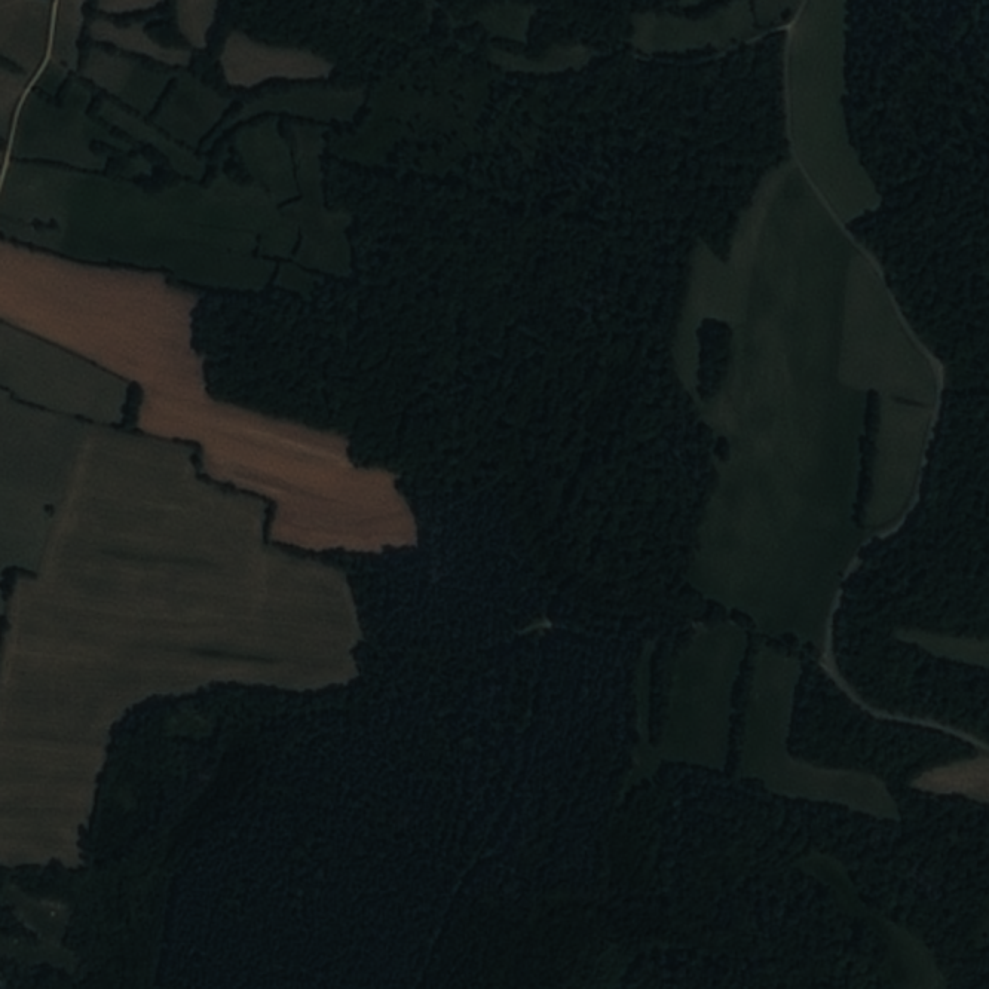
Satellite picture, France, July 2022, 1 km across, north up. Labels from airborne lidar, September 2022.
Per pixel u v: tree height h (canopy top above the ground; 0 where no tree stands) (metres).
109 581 0
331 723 20
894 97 19
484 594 25
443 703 24
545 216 19
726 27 0
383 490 0
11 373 0
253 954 21
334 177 17
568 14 8
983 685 20
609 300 20
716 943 13
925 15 30
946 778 0
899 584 14
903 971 0
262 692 17
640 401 19
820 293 0
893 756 18
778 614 0
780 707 0
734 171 18
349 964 21
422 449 20
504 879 24
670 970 19
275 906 21
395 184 22
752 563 0
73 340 0
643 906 14
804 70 0
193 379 0
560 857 25
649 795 6
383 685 19
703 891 18
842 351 0
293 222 0
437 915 18
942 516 12
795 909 19
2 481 0
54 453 0
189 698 11
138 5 0
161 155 14
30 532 0
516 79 13
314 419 14
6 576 13
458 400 15
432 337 20
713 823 21
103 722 0
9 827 0
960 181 22
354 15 14
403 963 21
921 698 18
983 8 30
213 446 0
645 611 12
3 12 0
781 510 0
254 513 0
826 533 0
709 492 14
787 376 0
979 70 7
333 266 0
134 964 6
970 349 11
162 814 19
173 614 0
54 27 0
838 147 0
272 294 16
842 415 0
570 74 12
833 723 16
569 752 20
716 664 0
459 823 13
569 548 22
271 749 15
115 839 8
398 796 21
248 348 21
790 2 0
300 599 0
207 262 0
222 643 0
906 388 0
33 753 0
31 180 0
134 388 13
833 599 0
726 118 15
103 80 0
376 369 21
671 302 17
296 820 22
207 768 25
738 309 0
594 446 9
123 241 0
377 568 22
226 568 0
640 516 20
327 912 20
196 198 0
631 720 25
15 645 0
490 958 12
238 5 14
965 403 14
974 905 15
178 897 18
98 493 0
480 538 25
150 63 11
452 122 0
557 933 7
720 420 0
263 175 0
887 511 0
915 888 11
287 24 17
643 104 20
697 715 0
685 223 18
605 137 17
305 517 0
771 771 0
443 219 20
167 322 0
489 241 17
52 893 7
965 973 12
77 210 0
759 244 0
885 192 18
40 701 0
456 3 19
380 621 21
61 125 0
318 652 0
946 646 0
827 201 0
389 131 0
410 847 21
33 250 9
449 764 19
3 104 0
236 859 21
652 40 0
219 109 0
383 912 21
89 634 0
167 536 0
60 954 0
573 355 15
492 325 20
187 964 19
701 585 0
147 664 0
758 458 0
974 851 17
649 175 21
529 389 14
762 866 15
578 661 24
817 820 24
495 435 22
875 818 10
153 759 18
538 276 18
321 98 0
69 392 0
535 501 9
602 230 20
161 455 0
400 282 16
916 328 13
